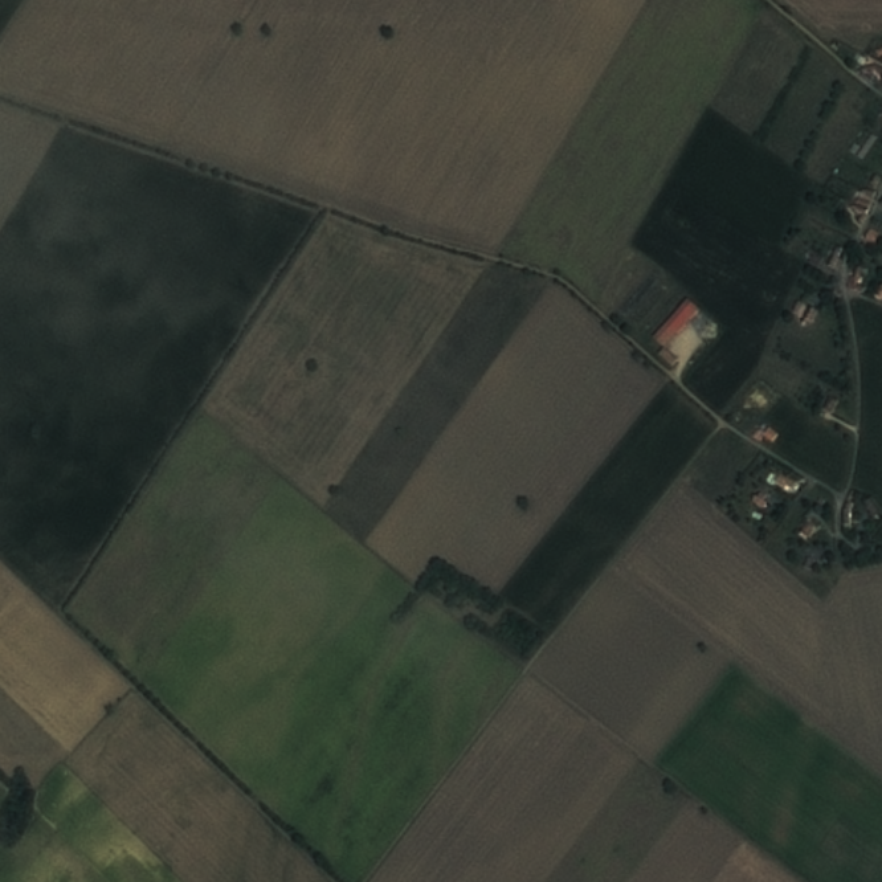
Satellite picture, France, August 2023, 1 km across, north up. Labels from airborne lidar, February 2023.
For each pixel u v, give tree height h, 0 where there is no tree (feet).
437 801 0
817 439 0
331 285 0
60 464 0
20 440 0
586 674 0
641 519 0
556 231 0
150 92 0
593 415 0
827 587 0
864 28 0
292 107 0
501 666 0
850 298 0
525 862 0
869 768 0
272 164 0
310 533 0
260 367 0
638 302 0
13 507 0
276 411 0
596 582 0
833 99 31
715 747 0
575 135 0
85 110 0
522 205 0
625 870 0
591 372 0
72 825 0
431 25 0
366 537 0
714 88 0
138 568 0
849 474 0
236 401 0
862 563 42
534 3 0
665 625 0
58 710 0
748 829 0
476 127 0
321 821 0
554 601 0
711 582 0
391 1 0
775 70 0
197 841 0
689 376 0
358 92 0
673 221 0
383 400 0
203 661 0
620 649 0
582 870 0
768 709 0
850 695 0
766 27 0
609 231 0
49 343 0
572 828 0
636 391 0
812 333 0
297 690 0
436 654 0
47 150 0
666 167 0
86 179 0
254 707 0
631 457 0
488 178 0
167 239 0
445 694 0
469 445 0
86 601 0
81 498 0
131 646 0
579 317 0
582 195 0
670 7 0
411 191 0
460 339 0
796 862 0
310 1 0
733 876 0
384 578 0
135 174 0
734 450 0
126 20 0
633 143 0
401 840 0
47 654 0
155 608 0
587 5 0
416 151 0
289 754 0
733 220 0
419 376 0
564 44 0
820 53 0
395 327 0
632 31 0
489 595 44
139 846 0
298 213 0
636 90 0
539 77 0
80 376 0
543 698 0
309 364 26
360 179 0
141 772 0
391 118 0
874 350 0
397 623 29
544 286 0
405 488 0
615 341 0
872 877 0
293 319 0
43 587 0
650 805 0
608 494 0
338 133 0
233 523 0
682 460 0
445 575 47
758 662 0
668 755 0
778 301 0
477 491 0
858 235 0
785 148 0
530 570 0
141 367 0
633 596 0
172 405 0
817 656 0
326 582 0
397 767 0
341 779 0
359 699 0
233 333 0
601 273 0
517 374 0
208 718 0
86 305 0
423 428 0
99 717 0
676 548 0
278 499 0
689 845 0
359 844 0
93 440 0
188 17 0
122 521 24
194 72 0
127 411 0
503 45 0
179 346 0
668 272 0
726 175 0
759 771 0
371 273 0
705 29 0
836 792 0
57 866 0
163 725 0
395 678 0
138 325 0
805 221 0
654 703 0
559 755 0
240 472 0
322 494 0
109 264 0
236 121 0
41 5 0
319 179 0
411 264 0
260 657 0
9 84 0
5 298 0
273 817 22
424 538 0
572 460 0
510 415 0
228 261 0
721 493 0
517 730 0
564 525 0
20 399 0
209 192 0
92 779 0
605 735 0
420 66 0
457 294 0
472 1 0
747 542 0
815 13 0
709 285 0
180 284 0
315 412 0
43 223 0
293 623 0
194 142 0
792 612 0
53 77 0
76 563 0
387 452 0
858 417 0
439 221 0
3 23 0
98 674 0
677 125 0
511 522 0
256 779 0
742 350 0
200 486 0
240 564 0
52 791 0
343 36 0
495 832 0
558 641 0
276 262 0
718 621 0
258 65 0
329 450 0
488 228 0
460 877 0
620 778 0
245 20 0
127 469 0
